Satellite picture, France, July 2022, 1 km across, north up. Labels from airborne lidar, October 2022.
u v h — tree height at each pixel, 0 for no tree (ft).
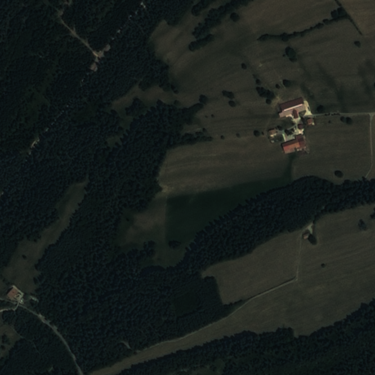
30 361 50
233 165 0
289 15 0
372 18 0
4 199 38
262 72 0
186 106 0
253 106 0
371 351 43
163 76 58
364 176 0
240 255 28
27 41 22
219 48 0
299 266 0
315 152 0
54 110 34
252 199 0
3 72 42
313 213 63
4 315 37
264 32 0
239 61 0
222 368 0
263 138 0
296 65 0
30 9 30
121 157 95
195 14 40
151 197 18
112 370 0
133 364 0
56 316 59
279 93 0
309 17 0
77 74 57
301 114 0
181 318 47
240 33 0
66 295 74
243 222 44
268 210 66
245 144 0
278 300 0
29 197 86
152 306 100
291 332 52
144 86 27
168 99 0
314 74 0
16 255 0
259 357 22
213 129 0
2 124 72
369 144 0
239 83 0
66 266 75
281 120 0
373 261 0
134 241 0
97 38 55
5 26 56
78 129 83
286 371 27
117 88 65
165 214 0
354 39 0
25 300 51
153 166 27
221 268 0
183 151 0
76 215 36
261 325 0
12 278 0
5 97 77
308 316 0
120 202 47
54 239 0
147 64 65
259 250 0
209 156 0
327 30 0
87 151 69
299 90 0
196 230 0
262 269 0
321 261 0
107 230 109
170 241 0
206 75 0
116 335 101
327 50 0
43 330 31
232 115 0
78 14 49
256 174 0
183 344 0
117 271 81
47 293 74
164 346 0
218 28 0
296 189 57
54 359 42
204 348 50
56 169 78
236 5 76
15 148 23
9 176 129
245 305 0
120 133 74
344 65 0
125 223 0
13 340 0
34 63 51
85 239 54
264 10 0
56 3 49
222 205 0
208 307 49
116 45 41
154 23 71
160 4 53
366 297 0
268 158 0
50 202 78
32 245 0
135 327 98
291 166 0
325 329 52
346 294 0
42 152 105
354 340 32
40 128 40
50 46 40
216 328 0
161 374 37
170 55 0
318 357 41
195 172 0
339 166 0
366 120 0
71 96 71
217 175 0
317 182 58
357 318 88
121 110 0
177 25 36
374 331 29
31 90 54
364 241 0
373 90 0
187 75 0
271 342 42
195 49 63
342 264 0
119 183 73
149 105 0
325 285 0
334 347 59
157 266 0
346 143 0
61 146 63
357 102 0
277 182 0
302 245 0
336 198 84
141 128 75
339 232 0
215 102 0
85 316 109
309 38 0
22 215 42
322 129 0
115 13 32
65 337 53
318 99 0
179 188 0
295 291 0
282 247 0
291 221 56
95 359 81
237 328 0
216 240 60
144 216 0
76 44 29
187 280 55
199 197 0
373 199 90
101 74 68
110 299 94
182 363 33
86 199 35
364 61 0
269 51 0
